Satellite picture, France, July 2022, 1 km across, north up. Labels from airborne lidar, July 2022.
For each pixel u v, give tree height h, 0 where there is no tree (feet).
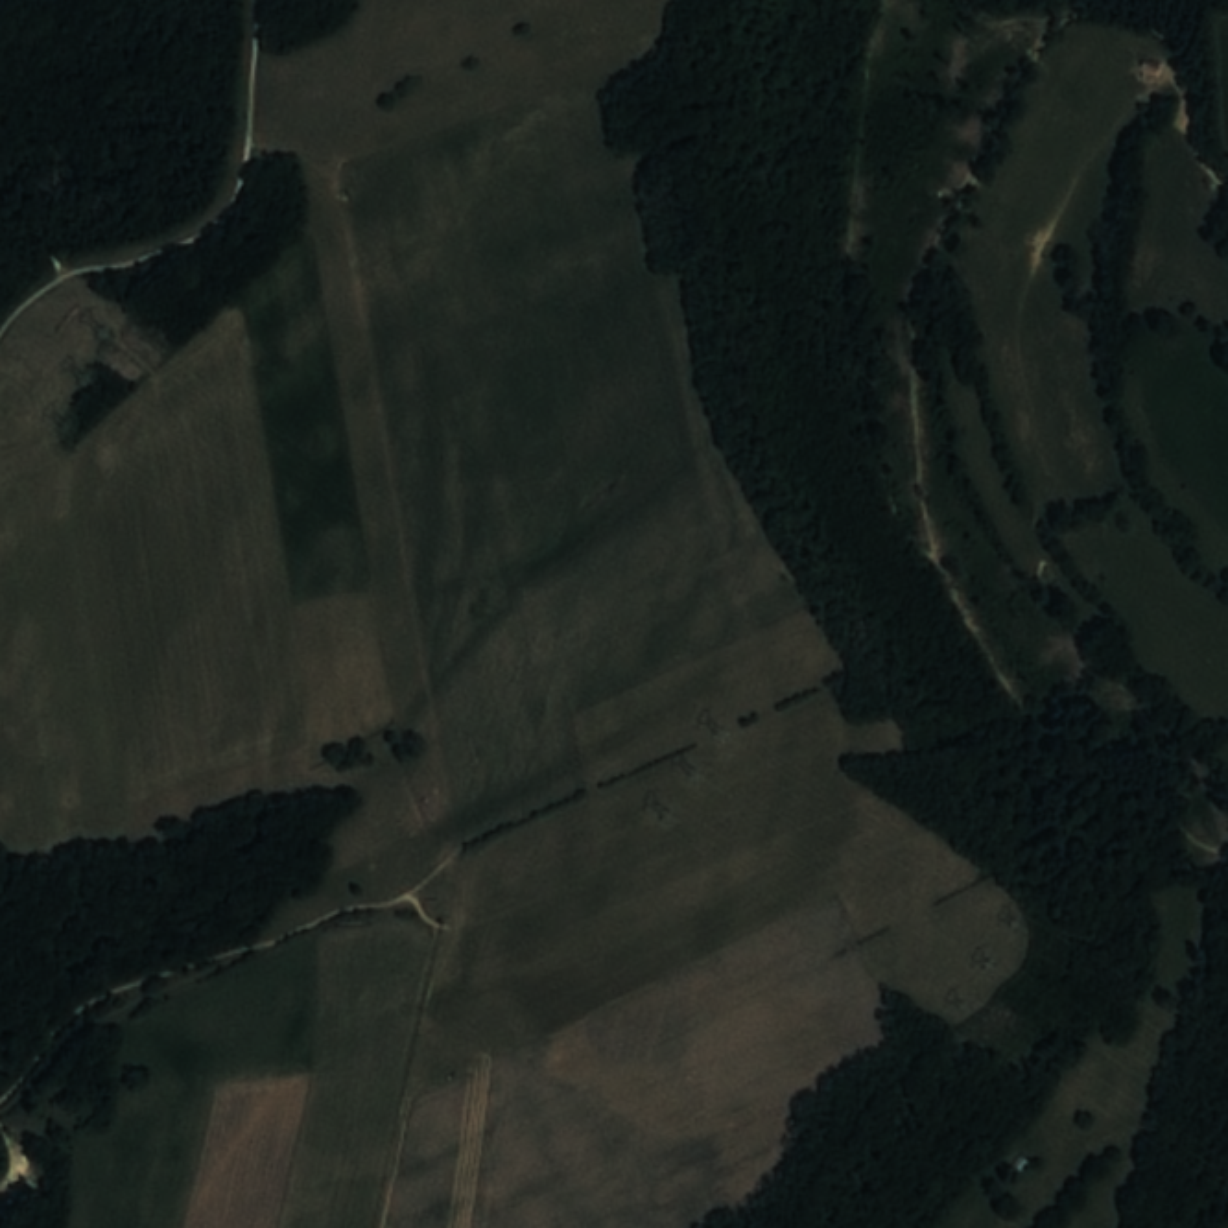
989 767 66
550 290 0
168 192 44
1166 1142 72
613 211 0
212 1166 0
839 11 63
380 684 0
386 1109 0
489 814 0
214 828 79
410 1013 0
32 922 76
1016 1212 54
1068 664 0
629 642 0
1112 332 75
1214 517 0
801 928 0
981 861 59
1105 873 94
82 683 0
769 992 0
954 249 96
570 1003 0
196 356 0
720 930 0
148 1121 0
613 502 0
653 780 0
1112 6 80
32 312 0
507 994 0
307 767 0
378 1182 0
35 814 0
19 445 0
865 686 63
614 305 0
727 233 42
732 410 61
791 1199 49
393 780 0
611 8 0
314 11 73
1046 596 82
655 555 0
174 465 0
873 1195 103
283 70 0
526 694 0
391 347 0
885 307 101
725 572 0
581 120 0
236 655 0
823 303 59
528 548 0
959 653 53
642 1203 0
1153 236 0
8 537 0
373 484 0
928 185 0
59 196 73
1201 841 0
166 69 58
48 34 70
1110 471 0
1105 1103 0
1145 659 0
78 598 0
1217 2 58
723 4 65
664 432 0
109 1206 0
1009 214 0
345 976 0
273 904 48
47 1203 53
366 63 0
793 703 20
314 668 0
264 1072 0
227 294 73
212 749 0
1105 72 0
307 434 0
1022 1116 94
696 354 45
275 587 0
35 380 0
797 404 57
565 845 0
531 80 0
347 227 0
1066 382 0
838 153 64
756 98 87
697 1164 0
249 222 66
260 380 0
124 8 34
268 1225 0
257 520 0
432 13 0
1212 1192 54
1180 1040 66
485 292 0
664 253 64
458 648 0
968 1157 118
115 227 28
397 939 0
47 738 0
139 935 97
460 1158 0
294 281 0
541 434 0
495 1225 0
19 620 0
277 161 52
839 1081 67
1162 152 0
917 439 0
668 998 0
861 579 57
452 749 0
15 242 63
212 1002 0
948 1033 52
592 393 0
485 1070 0
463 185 0
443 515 0
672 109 93
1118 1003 32
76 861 78
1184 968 0
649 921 0
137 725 0
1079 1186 57
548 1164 0
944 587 59
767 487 42
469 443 0
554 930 0
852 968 0
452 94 0
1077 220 0
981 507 31
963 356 53
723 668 0
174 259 68
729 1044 0
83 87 52
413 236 0
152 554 0
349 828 0
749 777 0
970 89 87
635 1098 0
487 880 0
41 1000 93
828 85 87
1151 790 93
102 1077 44
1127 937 62
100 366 27
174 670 0
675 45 72
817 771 0
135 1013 22
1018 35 0
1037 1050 42
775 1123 0
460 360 0
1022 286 0
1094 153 0
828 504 79
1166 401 0
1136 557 0
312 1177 0
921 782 58
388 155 0
